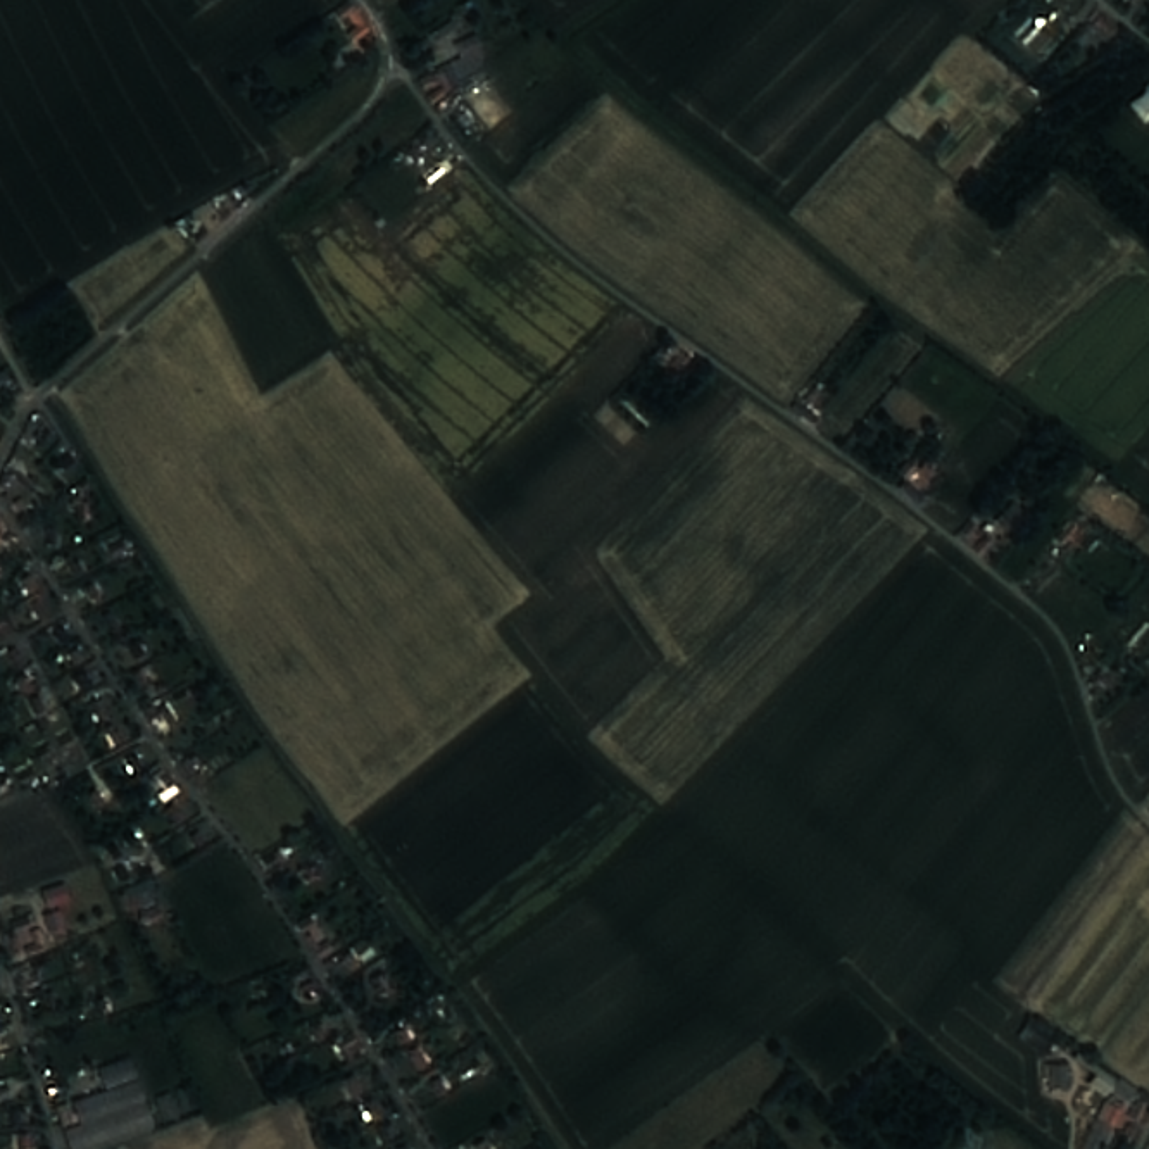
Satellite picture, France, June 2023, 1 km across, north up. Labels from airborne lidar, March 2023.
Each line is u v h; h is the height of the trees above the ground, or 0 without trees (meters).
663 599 0
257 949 0
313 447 0
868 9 0
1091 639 0
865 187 0
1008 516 0
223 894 0
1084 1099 0
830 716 0
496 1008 0
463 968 0
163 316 0
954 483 0
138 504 0
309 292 0
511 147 0
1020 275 0
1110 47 11
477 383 0
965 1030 0
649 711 0
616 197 0
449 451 0
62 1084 10
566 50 0
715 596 0
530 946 0
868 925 0
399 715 0
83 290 0
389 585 0
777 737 0
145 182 0
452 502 0
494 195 0
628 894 0
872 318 6
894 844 0
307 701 0
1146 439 0
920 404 0
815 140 0
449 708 0
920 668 0
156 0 0
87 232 0
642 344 0
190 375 0
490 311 0
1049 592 0
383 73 0
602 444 0
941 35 0
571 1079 0
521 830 0
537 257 0
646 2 0
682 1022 0
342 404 0
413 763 0
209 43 0
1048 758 0
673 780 0
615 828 0
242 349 0
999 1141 0
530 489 0
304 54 0
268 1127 0
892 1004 0
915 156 0
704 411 0
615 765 0
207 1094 0
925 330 0
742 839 0
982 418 0
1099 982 0
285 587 0
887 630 0
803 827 0
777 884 0
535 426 0
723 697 0
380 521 0
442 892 0
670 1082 0
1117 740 0
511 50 0
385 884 0
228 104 0
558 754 0
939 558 0
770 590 0
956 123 0
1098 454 0
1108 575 0
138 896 0
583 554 0
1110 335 0
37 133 0
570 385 0
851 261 0
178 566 0
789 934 0
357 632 0
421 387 0
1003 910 0
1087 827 0
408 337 0
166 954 0
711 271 0
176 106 0
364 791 0
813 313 0
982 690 0
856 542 0
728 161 0
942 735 0
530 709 0
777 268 0
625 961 0
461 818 0
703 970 0
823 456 0
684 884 0
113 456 0
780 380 0
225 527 0
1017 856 0
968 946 0
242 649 0
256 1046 0
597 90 0
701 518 0
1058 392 0
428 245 0
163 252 0
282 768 0
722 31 0
